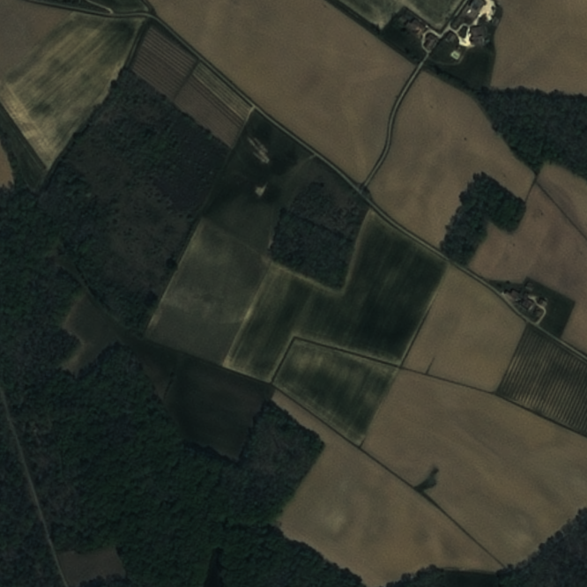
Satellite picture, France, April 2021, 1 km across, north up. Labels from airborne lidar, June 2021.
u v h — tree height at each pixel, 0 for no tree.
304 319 0
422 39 0
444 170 0
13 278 18
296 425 17
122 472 26
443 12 0
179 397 0
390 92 0
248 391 0
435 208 0
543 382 0
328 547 0
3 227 22
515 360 0
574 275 0
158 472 26
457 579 0
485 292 0
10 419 18
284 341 0
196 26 0
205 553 23
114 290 11
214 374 0
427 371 0
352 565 0
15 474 24
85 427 21
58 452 23
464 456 0
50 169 0
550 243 0
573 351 0
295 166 0
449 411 0
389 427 0
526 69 0
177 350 0
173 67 0
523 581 16
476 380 0
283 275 0
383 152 0
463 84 7
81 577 0
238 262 0
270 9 0
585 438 0
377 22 0
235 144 0
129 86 13
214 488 28
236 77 0
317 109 0
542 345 0
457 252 20
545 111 16
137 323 12
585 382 0
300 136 0
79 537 20
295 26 0
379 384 0
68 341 23
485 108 9
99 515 30
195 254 0
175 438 24
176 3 0
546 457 0
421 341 0
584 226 0
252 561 24
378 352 0
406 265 0
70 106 0
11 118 0
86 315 0
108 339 0
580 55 0
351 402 0
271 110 0
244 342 0
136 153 8
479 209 15
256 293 0
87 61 0
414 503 0
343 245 19
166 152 7
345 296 0
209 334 0
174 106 8
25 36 0
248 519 27
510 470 0
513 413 0
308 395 0
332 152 0
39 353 21
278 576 23
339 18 0
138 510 22
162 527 26
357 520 0
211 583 0
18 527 18
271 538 26
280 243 16
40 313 20
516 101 12
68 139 0
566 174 0
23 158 0
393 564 0
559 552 13
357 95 0
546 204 0
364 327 0
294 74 0
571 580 23
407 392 0
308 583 22
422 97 0
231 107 0
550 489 0
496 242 0
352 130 0
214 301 0
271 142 0
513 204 25
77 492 22
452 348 0
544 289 0
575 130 18
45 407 22
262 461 15
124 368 18
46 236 25
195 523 30
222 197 0
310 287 0
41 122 0
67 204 18
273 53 0
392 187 0
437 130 0
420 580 18
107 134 6
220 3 0
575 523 10
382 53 0
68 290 24
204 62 0
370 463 0
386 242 0
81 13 0
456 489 0
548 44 0
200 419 0
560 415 0
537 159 19
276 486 20
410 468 0
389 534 0
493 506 0
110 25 0
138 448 23
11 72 0
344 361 0
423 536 0
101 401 19
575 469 0
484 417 0
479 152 0
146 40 0
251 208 0
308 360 0
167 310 0
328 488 0
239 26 0
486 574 0
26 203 25
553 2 0
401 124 0
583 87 0
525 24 0
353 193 7
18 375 21
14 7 0
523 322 0
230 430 0
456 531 0
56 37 0
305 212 8
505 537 0
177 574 21
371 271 0
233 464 20
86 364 0
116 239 0
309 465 11
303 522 0
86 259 17
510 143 18
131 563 25
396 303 0
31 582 21
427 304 0
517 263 0
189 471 26
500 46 0
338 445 0
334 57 0
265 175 0
